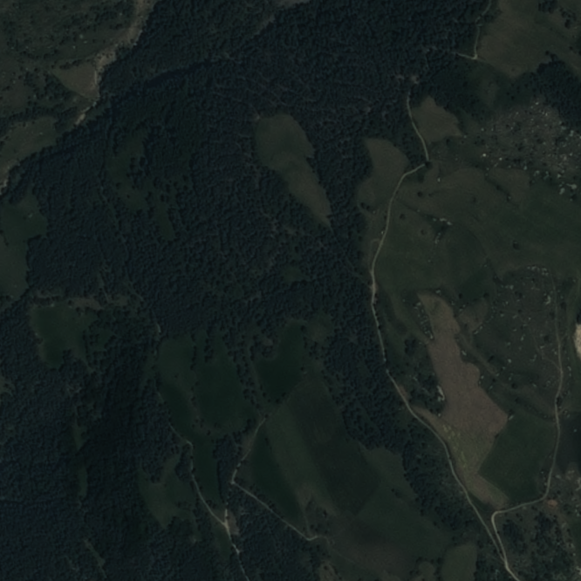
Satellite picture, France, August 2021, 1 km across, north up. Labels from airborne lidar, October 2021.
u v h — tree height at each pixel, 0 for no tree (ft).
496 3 0
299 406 0
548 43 0
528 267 0
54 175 50
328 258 42
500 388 0
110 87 41
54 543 28
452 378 0
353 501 0
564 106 42
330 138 52
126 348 41
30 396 52
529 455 0
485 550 0
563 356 0
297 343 0
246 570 31
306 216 27
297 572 32
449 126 0
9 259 0
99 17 31
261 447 0
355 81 50
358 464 0
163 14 55
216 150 58
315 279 28
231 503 27
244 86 58
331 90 50
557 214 0
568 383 0
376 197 0
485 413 0
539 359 0
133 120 85
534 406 0
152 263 27
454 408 0
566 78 90
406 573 0
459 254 0
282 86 54
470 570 0
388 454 0
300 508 0
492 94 0
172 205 23
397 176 0
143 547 50
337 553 0
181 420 0
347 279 32
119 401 72
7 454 28
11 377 41
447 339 0
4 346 36
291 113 42
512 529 25
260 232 33
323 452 0
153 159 84
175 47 57
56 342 0
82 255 46
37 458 64
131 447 48
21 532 61
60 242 38
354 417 29
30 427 53
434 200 0
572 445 0
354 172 44
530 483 0
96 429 46
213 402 0
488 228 0
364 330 28
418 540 0
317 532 21
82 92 0
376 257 0
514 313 0
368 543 0
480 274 0
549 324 0
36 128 0
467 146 0
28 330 34
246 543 33
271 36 62
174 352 0
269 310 52
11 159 0
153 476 26
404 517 0
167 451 43
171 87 66
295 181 0
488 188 0
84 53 0
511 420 0
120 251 52
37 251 45
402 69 37
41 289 40
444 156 0
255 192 39
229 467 44
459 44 49
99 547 44
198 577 42
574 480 0
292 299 52
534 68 0
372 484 0
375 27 49
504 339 0
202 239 45
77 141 76
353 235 37
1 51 0
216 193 50
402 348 0
